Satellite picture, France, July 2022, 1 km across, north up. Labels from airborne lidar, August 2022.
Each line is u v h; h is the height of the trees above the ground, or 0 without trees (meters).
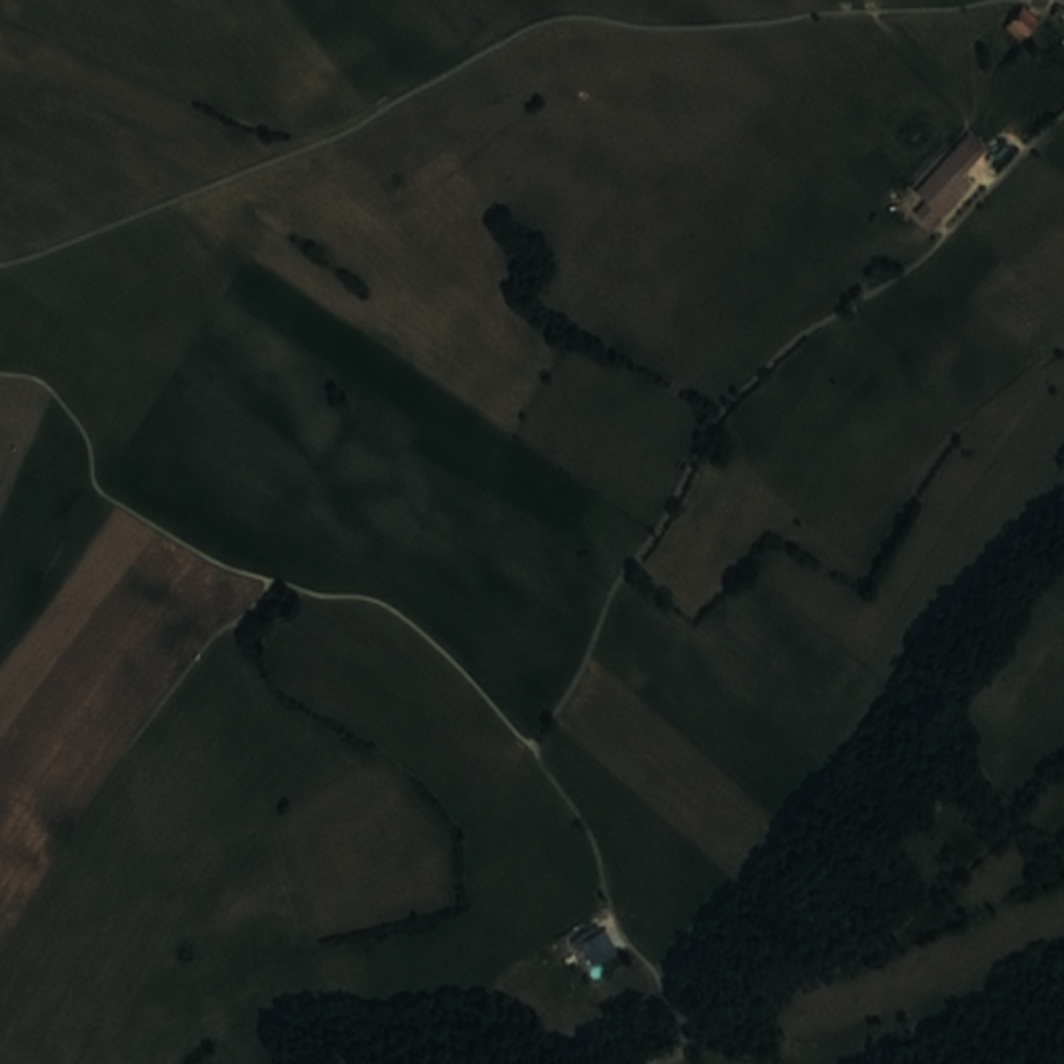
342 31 0
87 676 0
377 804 0
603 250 0
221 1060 0
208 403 0
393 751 0
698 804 0
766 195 0
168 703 0
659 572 0
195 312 0
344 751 0
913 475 0
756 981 22
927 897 11
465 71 0
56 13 0
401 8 0
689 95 0
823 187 0
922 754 21
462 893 6
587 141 0
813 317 0
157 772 0
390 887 0
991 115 0
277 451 0
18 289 0
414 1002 21
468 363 0
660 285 0
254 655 14
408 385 0
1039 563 23
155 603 0
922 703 9
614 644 0
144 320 0
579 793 0
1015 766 0
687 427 0
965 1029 19
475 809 0
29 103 0
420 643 0
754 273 0
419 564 0
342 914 0
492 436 0
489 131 0
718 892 0
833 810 21
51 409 0
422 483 0
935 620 21
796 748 0
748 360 0
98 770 0
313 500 0
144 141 0
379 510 0
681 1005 15
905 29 0
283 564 0
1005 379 0
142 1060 0
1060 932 0
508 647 0
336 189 0
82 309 0
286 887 0
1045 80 0
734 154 0
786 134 0
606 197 0
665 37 0
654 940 0
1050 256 0
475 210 0
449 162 0
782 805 0
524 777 0
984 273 0
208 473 0
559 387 0
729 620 0
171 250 0
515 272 10
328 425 0
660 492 0
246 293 0
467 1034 20
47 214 0
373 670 0
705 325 0
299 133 0
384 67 0
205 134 0
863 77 0
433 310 0
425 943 0
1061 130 0
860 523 0
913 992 0
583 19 0
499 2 0
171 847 0
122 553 0
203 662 0
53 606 0
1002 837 14
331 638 0
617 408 0
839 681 0
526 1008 22
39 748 0
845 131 0
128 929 0
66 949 0
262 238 0
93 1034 0
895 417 0
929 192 0
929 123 0
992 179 0
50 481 0
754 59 0
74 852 0
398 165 0
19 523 0
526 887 0
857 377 0
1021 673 0
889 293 0
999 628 20
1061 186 0
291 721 0
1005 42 0
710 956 20
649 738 0
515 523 0
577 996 0
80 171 0
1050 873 18
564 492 0
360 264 0
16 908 0
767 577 0
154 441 0
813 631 0
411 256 0
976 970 0
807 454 0
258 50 0
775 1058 13
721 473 0
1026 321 0
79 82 0
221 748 0
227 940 0
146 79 0
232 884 0
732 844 0
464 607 0
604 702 0
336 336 0
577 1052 20
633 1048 16
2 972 0
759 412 0
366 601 0
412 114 0
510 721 0
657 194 0
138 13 0
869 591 20
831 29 0
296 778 0
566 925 0
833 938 19
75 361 0
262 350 0
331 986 0
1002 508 0
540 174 0
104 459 0
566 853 0
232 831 0
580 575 0
